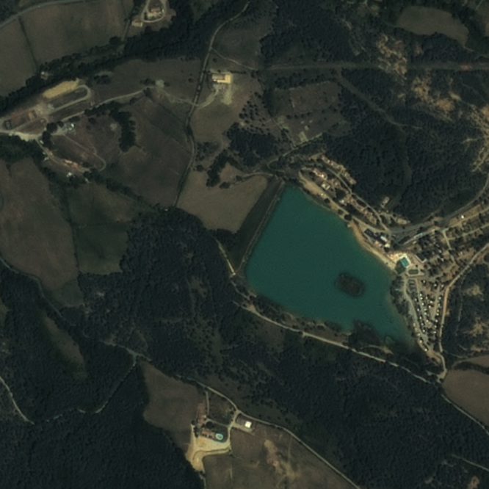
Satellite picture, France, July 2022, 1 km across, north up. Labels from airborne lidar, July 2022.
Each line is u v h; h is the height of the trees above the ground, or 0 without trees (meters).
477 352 10
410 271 0
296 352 14
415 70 6
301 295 0
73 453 19
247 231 0
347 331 0
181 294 13
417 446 7
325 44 12
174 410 0
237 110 0
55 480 22
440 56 15
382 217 10
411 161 12
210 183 8
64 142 0
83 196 0
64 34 0
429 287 0
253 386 11
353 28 6
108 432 16
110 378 17
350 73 13
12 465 17
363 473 15
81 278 13
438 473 13
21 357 13
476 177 13
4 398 12
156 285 11
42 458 20
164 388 0
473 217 0
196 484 18
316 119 0
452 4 6
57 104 0
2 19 8
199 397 0
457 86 10
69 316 16
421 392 17
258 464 0
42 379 16
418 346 0
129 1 0
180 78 0
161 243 12
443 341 11
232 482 0
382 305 0
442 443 15
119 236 0
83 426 14
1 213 0
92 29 0
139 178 0
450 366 9
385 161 19
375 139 15
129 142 10
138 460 15
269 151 12
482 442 19
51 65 10
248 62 0
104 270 0
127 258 14
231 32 0
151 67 0
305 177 0
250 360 12
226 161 9
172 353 18
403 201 13
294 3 16
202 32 21
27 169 0
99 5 0
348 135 7
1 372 13
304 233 0
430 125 11
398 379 16
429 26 0
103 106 14
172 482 14
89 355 7
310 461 0
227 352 10
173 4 14
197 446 0
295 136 0
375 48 6
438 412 20
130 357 14
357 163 23
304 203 0
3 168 0
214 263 17
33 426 13
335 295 0
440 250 17
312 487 0
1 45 0
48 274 0
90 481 19
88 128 7
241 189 0
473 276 8
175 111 0
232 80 0
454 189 15
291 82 13
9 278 15
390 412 8
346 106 8
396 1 10
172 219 12
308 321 0
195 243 15
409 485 12
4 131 0
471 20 10
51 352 11
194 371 6
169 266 17
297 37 15
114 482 17
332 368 10
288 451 0
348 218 12
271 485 0
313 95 0
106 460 15
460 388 0
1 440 14
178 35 16
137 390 16
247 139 12
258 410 0
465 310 8
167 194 0
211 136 0
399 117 15
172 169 0
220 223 0
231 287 16
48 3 0
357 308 0
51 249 0
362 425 13
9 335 12
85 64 15
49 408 13
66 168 0
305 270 0
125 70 0
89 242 0
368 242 0
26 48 0
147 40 11
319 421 11
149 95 8
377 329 0
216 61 8
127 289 15
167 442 13
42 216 0
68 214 0
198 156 8
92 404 10
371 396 13
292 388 17
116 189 9
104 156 0
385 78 9
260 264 0
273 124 0
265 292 0
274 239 0
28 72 0
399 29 14
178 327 9
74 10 0
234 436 0
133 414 16
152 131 0
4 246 0
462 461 12
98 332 17
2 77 0
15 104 15
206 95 0
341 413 16
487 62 13
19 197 0
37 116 0
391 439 13
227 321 15
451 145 13
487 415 0
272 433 0
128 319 15
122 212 0
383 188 20
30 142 8
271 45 15
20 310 14
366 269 0
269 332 0
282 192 0
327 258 0
